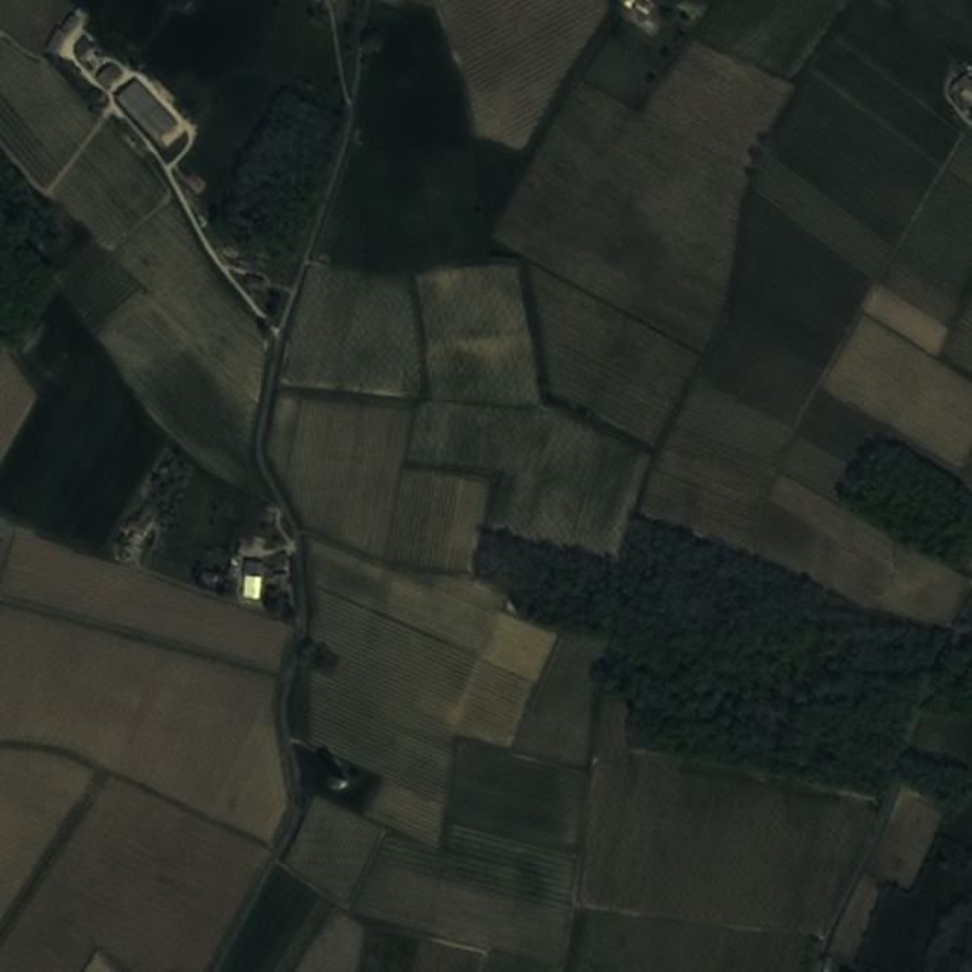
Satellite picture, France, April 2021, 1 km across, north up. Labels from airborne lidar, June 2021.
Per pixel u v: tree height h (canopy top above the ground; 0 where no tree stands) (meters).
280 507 0
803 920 0
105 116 0
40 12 0
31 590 0
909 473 22
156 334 0
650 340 0
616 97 0
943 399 0
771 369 0
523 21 0
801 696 23
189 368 0
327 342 0
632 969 0
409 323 0
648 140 0
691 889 0
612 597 23
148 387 0
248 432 0
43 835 0
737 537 0
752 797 0
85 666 0
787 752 26
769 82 0
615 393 0
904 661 19
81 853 0
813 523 0
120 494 0
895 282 0
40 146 0
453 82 0
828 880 0
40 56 0
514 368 0
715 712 17
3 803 0
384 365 0
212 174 0
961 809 20
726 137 0
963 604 0
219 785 0
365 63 7
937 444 0
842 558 0
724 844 0
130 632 0
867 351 0
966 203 0
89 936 0
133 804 0
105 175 0
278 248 25
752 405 0
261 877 0
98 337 0
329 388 0
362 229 0
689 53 0
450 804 0
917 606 0
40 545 0
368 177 0
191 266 0
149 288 0
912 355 0
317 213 21
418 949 0
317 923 0
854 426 0
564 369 0
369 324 0
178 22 0
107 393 0
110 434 0
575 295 0
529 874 0
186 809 0
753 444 0
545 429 0
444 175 0
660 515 0
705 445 0
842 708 24
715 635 22
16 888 0
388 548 0
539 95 0
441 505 0
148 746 0
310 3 0
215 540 0
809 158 0
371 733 0
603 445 0
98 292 0
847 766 21
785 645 23
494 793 0
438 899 0
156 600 0
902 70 0
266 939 0
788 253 0
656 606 20
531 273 0
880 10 0
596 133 0
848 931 0
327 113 20
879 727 21
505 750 0
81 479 0
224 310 0
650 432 0
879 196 0
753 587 14
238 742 0
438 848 0
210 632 0
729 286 0
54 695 0
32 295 24
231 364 0
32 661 0
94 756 0
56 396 0
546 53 0
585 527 0
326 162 17
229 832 0
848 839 0
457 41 0
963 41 0
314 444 0
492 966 0
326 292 0
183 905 0
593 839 0
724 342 0
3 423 0
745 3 0
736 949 0
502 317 0
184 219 0
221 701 0
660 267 0
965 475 0
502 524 0
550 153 0
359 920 0
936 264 0
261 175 24
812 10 0
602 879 0
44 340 0
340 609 0
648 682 24
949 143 0
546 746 0
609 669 14
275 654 0
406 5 0
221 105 0
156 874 0
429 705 0
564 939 0
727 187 0
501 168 0
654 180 0
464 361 0
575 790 0
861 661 19
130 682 0
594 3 0
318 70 0
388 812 0
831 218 0
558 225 0
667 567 19
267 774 0
